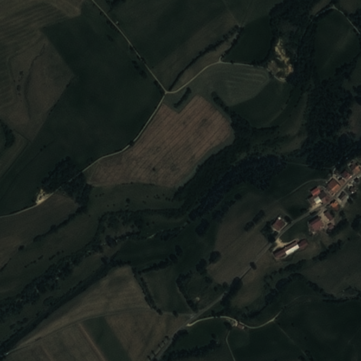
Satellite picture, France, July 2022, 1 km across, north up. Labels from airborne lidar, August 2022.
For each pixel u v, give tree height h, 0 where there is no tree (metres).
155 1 0
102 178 0
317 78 9
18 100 0
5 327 0
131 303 0
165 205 0
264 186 27
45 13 0
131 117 0
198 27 0
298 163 0
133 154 0
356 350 0
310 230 0
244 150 7
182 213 12
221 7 0
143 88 0
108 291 0
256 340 0
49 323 0
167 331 0
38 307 0
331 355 0
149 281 0
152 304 14
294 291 0
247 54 0
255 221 16
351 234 0
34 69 0
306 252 0
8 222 0
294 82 9
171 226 0
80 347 0
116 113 0
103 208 0
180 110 0
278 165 29
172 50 0
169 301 0
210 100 0
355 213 0
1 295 0
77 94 0
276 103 0
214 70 0
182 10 0
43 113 0
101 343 0
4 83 0
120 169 0
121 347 0
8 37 0
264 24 0
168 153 0
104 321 0
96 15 0
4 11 0
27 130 0
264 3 0
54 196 0
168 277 0
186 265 0
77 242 0
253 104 0
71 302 0
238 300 0
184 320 0
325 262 0
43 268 0
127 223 6
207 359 0
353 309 0
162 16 0
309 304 0
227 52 12
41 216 0
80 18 0
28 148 0
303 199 0
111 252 0
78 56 0
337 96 14
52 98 0
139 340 0
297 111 0
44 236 6
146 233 0
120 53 0
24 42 0
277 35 20
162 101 0
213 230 0
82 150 0
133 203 0
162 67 0
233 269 0
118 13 0
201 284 0
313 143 17
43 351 0
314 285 13
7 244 0
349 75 25
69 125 0
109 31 0
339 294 0
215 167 9
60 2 0
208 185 9
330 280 0
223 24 0
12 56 0
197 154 0
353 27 0
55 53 0
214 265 0
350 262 0
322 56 0
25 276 0
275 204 0
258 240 0
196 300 0
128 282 0
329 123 20
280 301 0
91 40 0
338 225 10
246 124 26
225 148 7
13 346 0
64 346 0
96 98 0
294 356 0
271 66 0
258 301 0
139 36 0
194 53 0
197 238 0
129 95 0
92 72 0
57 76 0
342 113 26
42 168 0
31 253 0
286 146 0
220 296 0
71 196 21
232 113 11
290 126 0
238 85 0
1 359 14
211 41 0
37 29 0
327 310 0
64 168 10
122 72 0
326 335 0
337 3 17
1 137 0
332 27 0
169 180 0
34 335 0
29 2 0
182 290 18
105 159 0
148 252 0
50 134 0
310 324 0
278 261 0
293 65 6
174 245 0
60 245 0
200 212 7
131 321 0
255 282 0
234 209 0
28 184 0
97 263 0
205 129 0
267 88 0
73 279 0
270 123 0
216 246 0
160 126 0
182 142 0
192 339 0
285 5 12
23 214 0
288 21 12
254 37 0
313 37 10
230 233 0
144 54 0
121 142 0
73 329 0
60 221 0
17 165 0
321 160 10
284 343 0
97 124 0
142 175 0
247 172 9
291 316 0
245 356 0
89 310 0
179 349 0
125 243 0
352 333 0
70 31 0
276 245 0
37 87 0
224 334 0
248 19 0
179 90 0
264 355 0
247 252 0
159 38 0
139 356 0
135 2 0
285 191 0
